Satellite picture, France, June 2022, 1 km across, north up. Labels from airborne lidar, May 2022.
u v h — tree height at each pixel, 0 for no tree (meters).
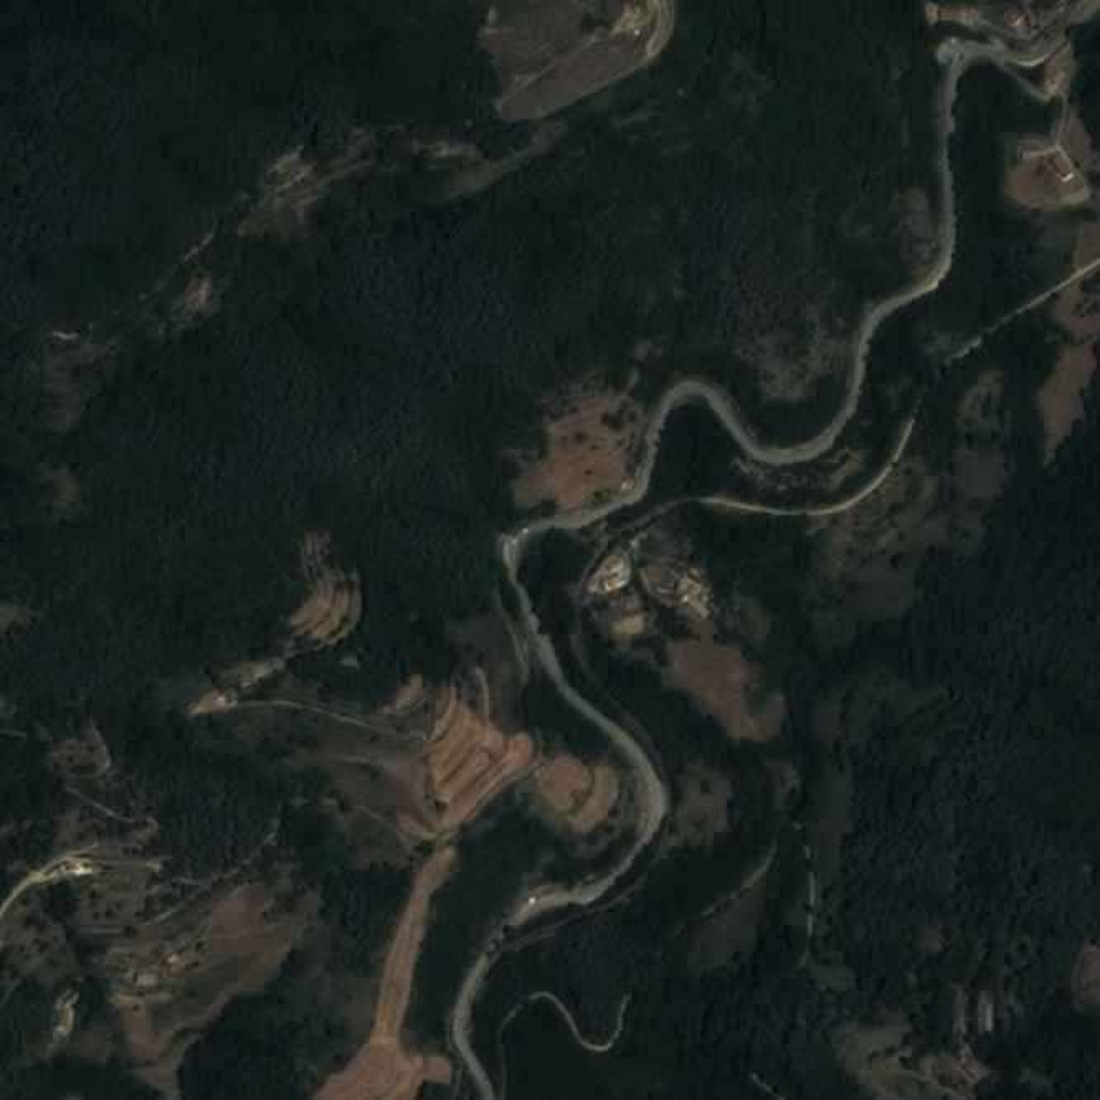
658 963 19
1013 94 8
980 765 17
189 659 11
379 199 11
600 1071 8
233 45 20
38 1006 9
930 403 17
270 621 8
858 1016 7
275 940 0
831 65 14
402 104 17
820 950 12
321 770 7
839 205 7
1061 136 0
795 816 15
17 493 18
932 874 16
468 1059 0
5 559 13
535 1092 9
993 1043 14
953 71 0
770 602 14
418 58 13
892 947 12
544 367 6
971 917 10
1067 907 17
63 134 15
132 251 16
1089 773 14
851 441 14
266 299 14
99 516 10
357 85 15
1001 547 18
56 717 16
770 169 12
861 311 6
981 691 22
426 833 0
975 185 20
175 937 8
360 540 15
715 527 19
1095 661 15
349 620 7
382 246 22
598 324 13
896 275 7
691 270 14
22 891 0
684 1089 7
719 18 11
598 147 16
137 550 14
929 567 12
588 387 7
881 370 18
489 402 14
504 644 0
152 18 19
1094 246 0
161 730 18
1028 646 13
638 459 8
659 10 0
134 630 10
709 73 12
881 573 0
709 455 8
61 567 13
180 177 22
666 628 7
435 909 7
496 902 6
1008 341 23
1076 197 0
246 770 20
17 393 11
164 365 18
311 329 15
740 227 18
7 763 15
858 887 18
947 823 16
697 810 0
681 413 16
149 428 28
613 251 12
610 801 0
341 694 14
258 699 9
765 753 19
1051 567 15
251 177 18
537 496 0
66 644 14
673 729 9
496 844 11
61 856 0
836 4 16
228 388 21
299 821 20
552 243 17
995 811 12
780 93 8
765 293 11
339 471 16
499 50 0
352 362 20
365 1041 0
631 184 16
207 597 12
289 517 11
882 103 6
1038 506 21
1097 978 0
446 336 21
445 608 17
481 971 0
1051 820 16
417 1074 0
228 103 20
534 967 8
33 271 19
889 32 7
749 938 0
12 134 14
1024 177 0
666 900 17
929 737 10
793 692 20
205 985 0
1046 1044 15
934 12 0
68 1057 10
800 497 11
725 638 9
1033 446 18
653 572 0
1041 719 19
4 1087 18
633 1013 9
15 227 13
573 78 0
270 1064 10
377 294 21
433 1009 6
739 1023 16
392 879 13
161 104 23
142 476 14
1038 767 16
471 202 10
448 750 0
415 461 13
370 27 15
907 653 19
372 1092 0
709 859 15
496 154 28
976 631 11
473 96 18
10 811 17
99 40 21
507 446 14
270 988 8
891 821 8
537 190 22
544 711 17
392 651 16
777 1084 12
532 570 19
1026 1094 13
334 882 22
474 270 21
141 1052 0
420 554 23
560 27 0
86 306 19
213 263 11
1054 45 0
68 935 10
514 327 20
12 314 17
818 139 11
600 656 9
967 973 15
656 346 7
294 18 11
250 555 10
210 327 11
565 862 6
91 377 10
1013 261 26
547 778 0
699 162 9
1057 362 12
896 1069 0
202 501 11
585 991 19
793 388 0
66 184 17
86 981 11
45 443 10
